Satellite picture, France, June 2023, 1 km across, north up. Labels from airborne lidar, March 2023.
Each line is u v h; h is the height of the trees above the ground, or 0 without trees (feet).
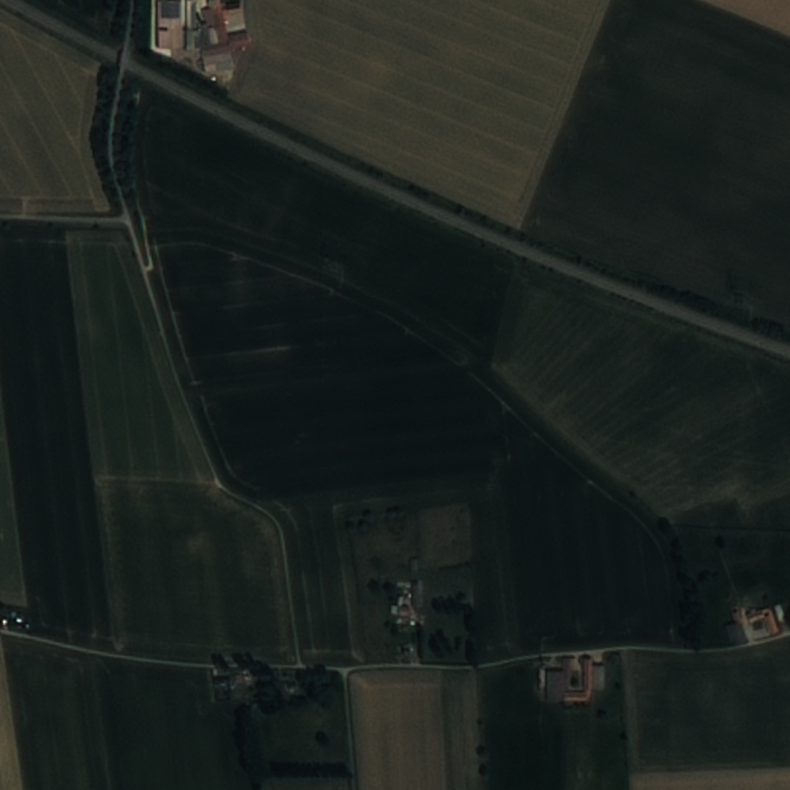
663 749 0
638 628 0
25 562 0
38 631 0
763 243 0
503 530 0
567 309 0
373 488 0
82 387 0
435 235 0
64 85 0
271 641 0
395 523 0
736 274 0
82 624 0
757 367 0
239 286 0
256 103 0
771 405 0
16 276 0
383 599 0
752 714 0
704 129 0
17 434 0
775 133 0
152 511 0
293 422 0
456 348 0
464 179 0
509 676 0
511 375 0
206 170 0
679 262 0
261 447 0
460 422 0
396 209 0
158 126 0
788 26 0
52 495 0
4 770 0
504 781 0
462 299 0
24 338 0
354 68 0
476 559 0
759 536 0
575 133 0
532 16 0
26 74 0
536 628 0
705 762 0
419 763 0
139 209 0
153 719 0
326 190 0
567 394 0
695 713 0
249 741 110
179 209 0
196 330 0
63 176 0
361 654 0
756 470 0
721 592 0
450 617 0
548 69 0
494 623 0
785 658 0
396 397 0
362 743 0
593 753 0
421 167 0
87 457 0
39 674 0
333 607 0
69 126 0
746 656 0
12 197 0
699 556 0
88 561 0
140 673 0
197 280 0
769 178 0
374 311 0
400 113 0
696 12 0
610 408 0
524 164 0
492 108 0
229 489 0
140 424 0
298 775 39
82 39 0
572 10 0
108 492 0
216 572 0
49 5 0
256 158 0
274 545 0
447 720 0
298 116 0
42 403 0
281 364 0
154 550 0
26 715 0
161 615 0
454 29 0
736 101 0
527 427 0
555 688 0
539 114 0
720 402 0
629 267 0
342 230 0
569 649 0
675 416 0
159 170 0
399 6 0
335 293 0
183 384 0
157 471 0
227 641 0
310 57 0
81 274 0
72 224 0
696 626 80
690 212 0
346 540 0
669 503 0
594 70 0
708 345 0
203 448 0
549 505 0
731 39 0
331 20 0
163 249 0
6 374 0
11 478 0
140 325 0
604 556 0
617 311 0
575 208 0
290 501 0
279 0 0
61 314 0
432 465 0
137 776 0
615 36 0
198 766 0
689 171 0
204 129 0
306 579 0
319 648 0
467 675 0
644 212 0
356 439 0
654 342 0
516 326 0
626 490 0
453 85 0
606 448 0
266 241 0
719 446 0
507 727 0
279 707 52
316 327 0
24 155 0
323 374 0
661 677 0
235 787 0
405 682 0
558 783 0
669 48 0
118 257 0
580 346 0
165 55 0
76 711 0
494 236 0
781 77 0
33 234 0
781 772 0
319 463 0
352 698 0
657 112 0
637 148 0
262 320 0
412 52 0
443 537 0
